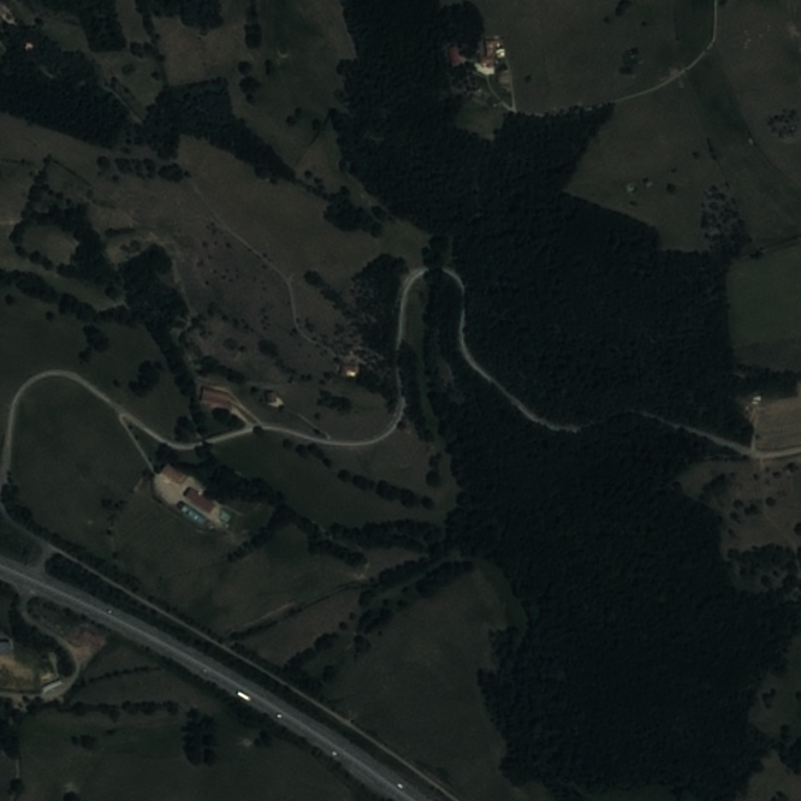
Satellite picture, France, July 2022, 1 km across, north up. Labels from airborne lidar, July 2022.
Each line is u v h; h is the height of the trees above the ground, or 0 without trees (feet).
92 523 0
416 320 0
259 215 0
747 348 0
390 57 29
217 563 0
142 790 0
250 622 0
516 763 61
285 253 0
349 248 0
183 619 27
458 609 0
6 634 40
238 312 0
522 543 55
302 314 0
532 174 45
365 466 0
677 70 0
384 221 83
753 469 0
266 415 0
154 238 0
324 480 0
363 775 0
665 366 53
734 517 26
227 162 0
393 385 19
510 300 57
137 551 0
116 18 35
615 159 0
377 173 24
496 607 0
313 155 0
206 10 33
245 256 0
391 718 0
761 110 0
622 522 45
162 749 0
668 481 31
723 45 0
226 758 0
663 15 0
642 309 49
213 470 47
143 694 0
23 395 0
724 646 42
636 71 0
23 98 54
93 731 0
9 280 57
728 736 27
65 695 0
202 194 0
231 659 38
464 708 0
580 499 63
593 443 52
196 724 58
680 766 62
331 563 0
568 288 52
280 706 0
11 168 0
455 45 24
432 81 32
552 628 72
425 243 0
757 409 0
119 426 0
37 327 0
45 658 21
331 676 45
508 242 50
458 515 54
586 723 43
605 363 56
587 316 48
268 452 0
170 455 54
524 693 70
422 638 0
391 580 60
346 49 0
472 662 0
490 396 56
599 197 0
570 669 37
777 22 0
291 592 0
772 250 0
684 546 23
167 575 0
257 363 0
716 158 19
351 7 33
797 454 0
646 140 0
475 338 31
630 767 61
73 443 0
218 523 0
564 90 0
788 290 0
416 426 27
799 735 0
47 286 53
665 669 30
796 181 0
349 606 0
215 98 41
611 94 0
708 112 0
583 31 0
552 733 74
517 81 0
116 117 54
